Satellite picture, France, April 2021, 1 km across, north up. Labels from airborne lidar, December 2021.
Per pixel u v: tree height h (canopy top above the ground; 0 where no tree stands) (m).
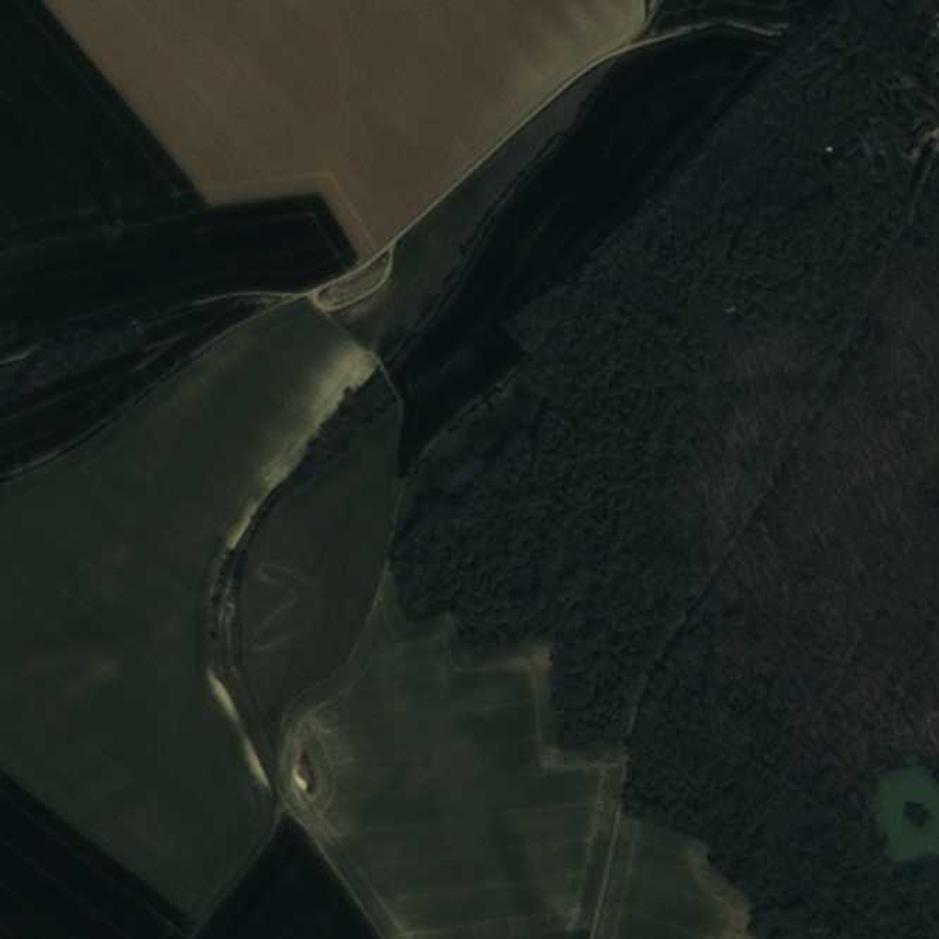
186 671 0
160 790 0
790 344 21
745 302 18
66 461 0
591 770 0
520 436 19
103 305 0
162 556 0
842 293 18
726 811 7
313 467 14
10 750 0
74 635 0
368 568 0
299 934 0
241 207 0
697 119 0
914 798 0
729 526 20
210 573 0
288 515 0
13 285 0
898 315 20
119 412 9
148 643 0
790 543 24
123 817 0
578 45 0
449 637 0
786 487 23
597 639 18
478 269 0
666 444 17
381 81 0
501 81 0
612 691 18
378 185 0
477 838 0
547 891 0
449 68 0
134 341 10
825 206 24
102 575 0
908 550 20
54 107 0
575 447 12
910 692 16
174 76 0
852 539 28
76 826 0
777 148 17
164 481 0
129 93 0
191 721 0
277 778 0
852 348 0
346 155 0
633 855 0
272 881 0
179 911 0
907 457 23
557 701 13
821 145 12
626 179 0
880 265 21
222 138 0
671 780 9
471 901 0
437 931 0
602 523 18
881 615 27
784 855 17
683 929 0
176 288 0
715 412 19
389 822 0
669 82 0
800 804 15
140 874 0
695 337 16
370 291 0
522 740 0
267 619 0
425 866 0
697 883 0
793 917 23
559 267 0
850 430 23
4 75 0
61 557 0
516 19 0
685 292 12
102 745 0
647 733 10
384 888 0
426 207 0
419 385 0
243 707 0
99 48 0
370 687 0
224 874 0
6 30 0
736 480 20
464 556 19
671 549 15
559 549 21
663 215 12
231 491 0
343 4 0
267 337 0
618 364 15
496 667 0
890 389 23
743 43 0
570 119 0
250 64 0
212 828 0
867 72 17
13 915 0
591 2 0
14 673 0
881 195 24
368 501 0
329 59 0
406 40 0
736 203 13
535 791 0
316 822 0
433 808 0
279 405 0
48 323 0
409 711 0
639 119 0
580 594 19
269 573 0
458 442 0
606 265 13
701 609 21
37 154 0
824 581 23
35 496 0
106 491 0
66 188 0
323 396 0
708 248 18
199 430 0
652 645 23
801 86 14
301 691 0
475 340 0
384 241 0
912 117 19
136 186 0
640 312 16
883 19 16
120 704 0
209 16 0
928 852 0
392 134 0
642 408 20
